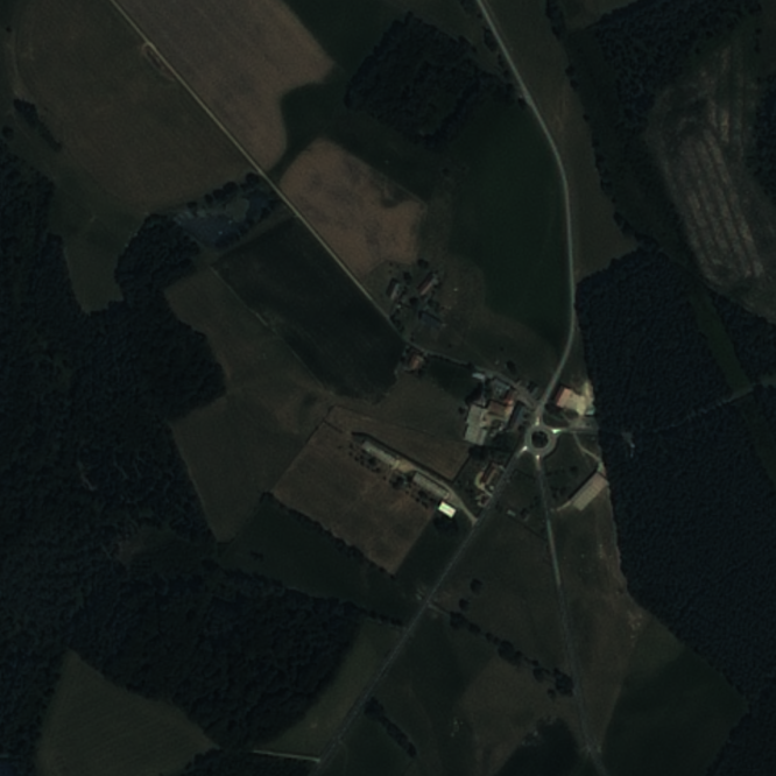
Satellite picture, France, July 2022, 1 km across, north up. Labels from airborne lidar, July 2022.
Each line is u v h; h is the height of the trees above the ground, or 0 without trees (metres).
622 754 0
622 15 19
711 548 21
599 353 22
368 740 0
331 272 0
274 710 30
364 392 0
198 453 0
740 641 20
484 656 0
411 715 0
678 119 0
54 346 7
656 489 21
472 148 0
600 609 0
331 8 0
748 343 16
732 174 0
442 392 0
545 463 0
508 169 0
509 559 0
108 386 8
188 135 0
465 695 0
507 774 0
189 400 18
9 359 15
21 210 24
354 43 0
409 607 0
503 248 0
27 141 0
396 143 0
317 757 0
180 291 0
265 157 0
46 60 0
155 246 16
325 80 0
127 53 0
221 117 0
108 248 0
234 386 0
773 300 0
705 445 23
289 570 0
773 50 0
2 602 13
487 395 7
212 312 0
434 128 0
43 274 19
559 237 0
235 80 0
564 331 0
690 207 0
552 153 0
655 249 21
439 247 0
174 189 0
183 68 0
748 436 17
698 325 17
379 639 0
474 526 0
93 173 0
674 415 24
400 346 0
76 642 19
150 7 0
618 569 0
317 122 0
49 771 0
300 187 0
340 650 16
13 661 23
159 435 9
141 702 0
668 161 0
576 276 0
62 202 0
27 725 6
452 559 0
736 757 17
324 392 0
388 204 0
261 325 0
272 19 0
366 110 15
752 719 15
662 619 13
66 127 0
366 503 0
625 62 9
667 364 21
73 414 17
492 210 0
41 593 12
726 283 0
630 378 25
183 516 8
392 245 0
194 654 32
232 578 19
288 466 0
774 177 13
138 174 0
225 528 0
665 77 10
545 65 0
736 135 0
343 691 0
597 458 0
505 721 0
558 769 0
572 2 0
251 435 0
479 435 0
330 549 0
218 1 0
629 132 6
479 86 20
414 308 7
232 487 0
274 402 0
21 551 14
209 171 0
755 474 19
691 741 0
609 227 0
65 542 19
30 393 15
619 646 0
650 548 20
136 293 27
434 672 0
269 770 6
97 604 24
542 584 0
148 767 0
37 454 21
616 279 17
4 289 15
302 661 14
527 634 0
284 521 0
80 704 0
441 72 17
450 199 0
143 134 0
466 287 0
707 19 9
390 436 0
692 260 7
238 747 20
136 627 33
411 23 11
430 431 0
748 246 0
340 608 22
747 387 0
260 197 0
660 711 0
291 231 0
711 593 19
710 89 0
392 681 0
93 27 0
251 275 0
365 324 0
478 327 0
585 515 0
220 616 24
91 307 0
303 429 0
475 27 0
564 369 0
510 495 0
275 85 0
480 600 0
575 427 0
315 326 0
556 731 0
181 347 27
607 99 6
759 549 19
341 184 0
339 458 0
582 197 0
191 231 0
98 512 23
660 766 0
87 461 15
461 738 0
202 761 18
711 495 20
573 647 0
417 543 0
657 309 24
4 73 0
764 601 19
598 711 0
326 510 0
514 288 0
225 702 30
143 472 17
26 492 23
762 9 17
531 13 0
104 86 0
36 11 0
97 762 0
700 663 0
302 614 6
